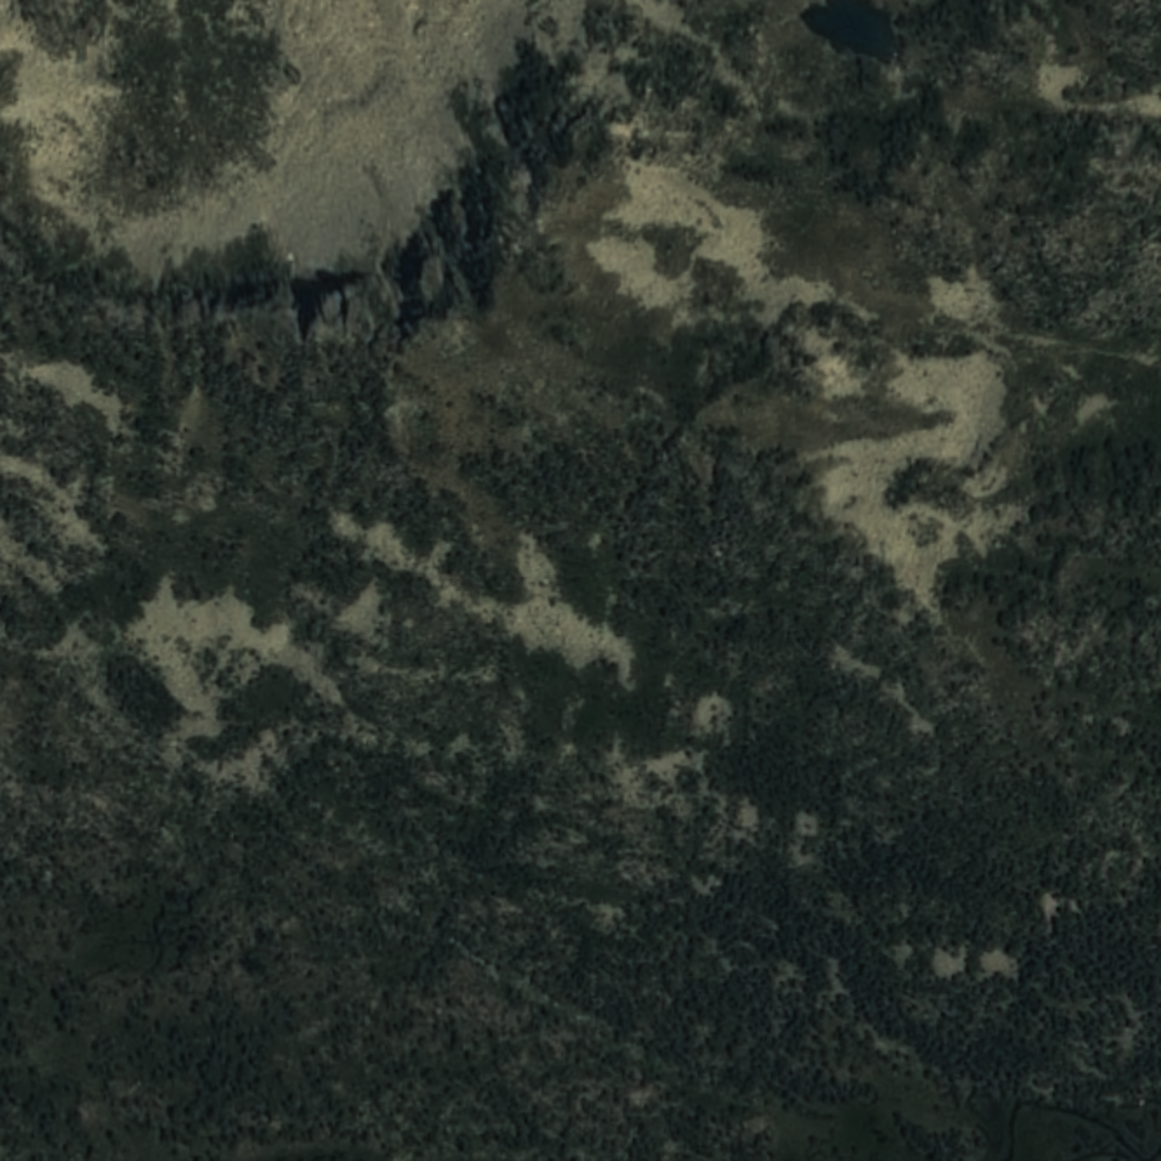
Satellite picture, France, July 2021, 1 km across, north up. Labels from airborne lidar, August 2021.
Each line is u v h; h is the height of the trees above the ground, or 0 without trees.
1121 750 6
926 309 0
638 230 0
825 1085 14
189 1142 9
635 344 0
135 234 0
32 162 0
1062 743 10
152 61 0
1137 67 6
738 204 0
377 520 0
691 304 0
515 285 0
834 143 12
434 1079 7
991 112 0
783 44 0
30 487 7
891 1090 0
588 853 11
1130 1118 0
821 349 0
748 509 7
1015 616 10
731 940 11
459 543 7
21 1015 0
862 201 8
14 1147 10
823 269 0
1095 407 0
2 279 7
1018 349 0
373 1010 13
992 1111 0
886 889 13
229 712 8
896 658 11
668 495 7
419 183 0
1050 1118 0
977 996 9
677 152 0
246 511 0
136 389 0
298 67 0
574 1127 7
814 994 14
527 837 7
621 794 0
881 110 0
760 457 9
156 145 0
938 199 0
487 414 0
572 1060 10
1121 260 6
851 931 16
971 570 0
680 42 9
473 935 13
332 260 0
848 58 0
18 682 0
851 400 0
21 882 11
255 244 0
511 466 11
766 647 7
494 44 0
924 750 11
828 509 0
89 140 0
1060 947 13
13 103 0
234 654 11
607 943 9
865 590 8
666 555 6
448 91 0
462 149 0
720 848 7
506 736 6
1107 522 0
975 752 10
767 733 9
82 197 0
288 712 8
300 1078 0
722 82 0
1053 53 0
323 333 0
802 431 0
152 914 0
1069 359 0
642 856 7
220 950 11
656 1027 10
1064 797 11
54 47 0
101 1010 7
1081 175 10
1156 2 8
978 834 9
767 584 7
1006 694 0
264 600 0
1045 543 13
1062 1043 15
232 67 0
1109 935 18
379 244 0
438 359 0
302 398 8
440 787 0
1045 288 6
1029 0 10
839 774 10
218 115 0
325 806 6
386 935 12
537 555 0
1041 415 0
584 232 0
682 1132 12
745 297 0
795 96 0
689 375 0
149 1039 10
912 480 7
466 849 14
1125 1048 15
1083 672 14
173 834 7
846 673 7
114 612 0
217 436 0
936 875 12
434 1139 8
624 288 0
